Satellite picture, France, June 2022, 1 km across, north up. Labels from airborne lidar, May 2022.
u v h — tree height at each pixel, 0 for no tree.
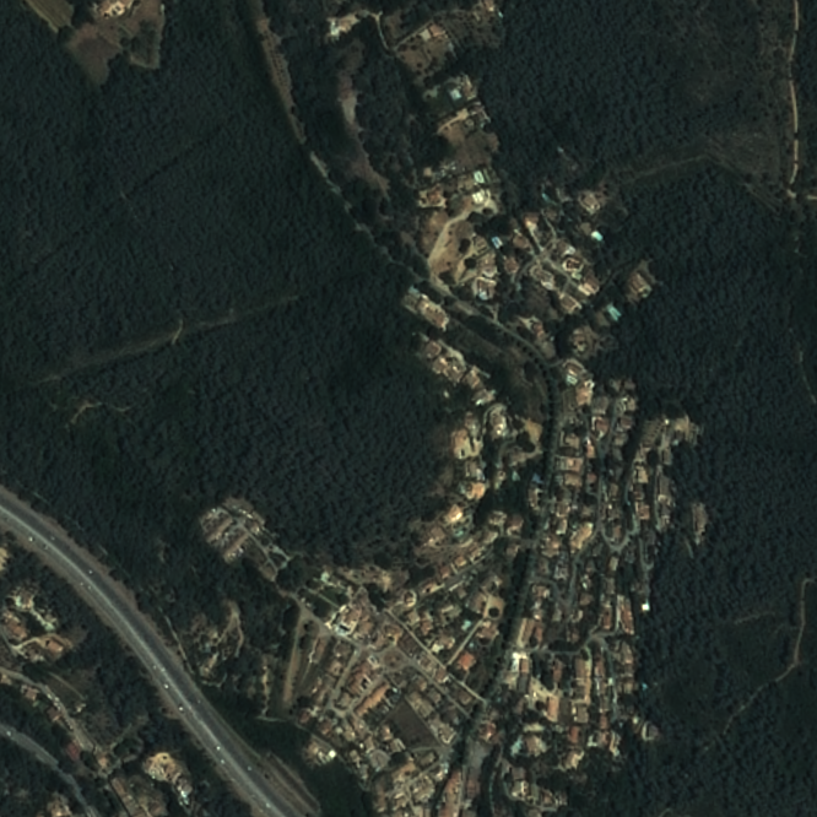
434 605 10
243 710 15
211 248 18
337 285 13
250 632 20
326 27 8
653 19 13
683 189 17
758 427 15
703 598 21
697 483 19
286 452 18
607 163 17
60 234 20
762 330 20
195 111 18
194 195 20
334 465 21
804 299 12
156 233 19
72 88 19
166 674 0
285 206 22
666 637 16
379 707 8
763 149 0
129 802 0
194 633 5
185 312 18
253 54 8
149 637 0
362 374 23
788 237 13
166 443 17
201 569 23
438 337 11
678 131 16
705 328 18
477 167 9
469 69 17
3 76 23
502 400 12
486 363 14
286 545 20
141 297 16
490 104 20
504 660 12
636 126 16
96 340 20
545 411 10
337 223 20
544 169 19
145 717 20
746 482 17
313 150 12
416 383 23
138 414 15
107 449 16
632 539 9
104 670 14
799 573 19
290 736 6
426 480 18
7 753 12
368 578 0
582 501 8
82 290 16
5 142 19
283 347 16
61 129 22
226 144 21
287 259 20
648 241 16
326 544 18
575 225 9
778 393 16
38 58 18
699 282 24
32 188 18
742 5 15
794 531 17
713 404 22
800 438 17
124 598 0
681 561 18
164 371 20
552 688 6
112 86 8
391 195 7
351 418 19
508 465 8
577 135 13
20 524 0
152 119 19
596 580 9
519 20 17
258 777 0
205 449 22
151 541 25
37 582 18
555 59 18
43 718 13
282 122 10
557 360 11
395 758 12
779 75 6
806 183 8
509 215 7
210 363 16
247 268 17
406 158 20
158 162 16
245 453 6
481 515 19
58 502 17
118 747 13
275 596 11
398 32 0
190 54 17
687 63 13
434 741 0
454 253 0
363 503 20
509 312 8
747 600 21
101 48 0
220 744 0
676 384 21
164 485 18
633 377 13
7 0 21
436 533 0
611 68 20
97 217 15
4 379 13
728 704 20
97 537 21
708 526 12
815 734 8
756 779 18
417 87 18
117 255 20
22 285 17
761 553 21
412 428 18
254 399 20
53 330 20
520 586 10
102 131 17
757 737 16
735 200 22
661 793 19
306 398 18
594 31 18
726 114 17
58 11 0
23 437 23
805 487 17
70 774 18
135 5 7
